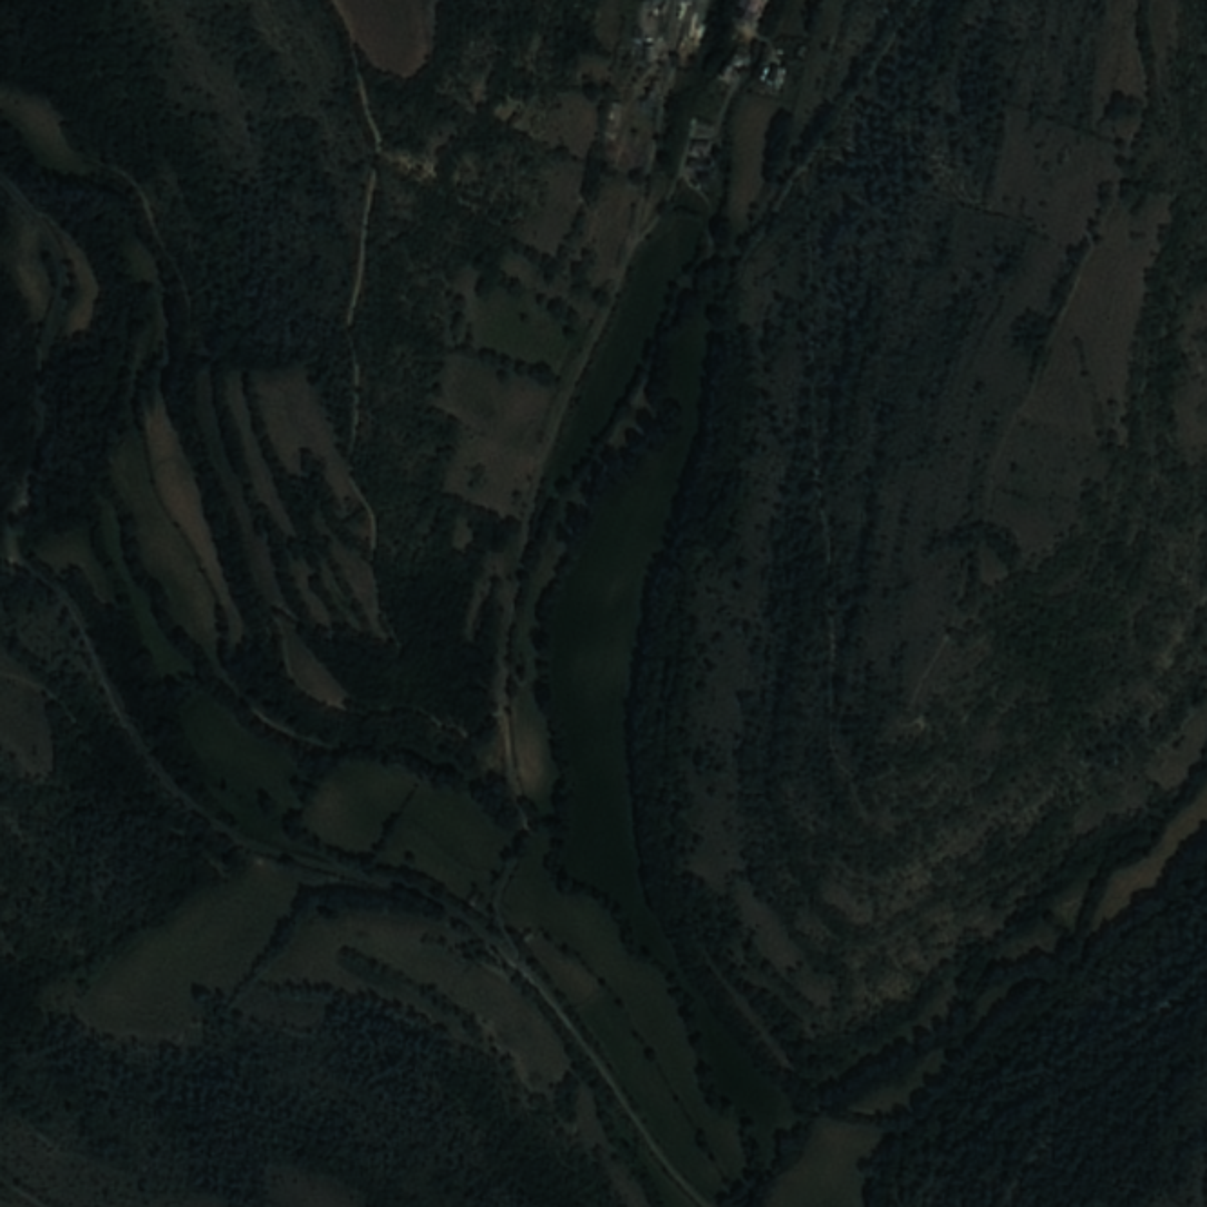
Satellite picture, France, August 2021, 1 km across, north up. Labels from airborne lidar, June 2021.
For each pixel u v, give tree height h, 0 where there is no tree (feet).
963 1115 24
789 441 20
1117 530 20
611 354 0
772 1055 31
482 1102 35
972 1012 48
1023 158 0
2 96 0
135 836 39
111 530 0
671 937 47
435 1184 21
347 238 26
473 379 0
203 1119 29
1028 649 22
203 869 37
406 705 30
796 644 33
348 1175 21
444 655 56
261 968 23
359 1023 37
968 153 30
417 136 25
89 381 72
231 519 35
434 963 0
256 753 0
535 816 51
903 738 18
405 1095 30
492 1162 24
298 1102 23
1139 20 21
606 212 0
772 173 30
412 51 0
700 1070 28
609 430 27
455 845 0
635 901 0
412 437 26
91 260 26
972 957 41
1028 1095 22
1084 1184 22
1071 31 0
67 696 33
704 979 65
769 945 0
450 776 57
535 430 0
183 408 42
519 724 0
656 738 53
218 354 47
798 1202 0
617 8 0
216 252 37
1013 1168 28
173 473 0
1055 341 0
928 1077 0
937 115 37
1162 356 30
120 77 26
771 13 40
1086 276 0
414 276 21
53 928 28
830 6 0
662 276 0
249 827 0
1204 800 0
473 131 20
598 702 0
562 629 0
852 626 33
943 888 22
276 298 29
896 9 34
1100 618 19
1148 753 17
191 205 44
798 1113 47
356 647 41
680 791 39
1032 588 26
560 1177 31
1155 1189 29
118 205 58
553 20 20
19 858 34
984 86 18
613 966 0
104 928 28
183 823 38
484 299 33
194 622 0
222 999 31
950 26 21
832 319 29
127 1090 22
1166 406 23
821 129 40
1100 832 31
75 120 43
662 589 66
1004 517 0
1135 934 32
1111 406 24
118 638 27
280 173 31
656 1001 0
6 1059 33
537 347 0
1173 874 46
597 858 0
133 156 33
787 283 0
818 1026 24
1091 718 25
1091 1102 25
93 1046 29
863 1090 49
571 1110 24
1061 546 17
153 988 0
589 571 0
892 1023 45
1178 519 20
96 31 32
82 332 24
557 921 0
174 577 0
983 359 0
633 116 0
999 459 0
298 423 0
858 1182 0
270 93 23
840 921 27
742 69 37
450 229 18
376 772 0
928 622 0
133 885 34
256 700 46
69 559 0
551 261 34
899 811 23
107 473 43
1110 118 21
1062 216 0
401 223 30
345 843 0
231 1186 26
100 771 39
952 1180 26
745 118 0
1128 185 30
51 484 51
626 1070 0
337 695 0
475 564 58
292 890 0
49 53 52
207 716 0
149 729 41
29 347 38
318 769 52
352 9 0
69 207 47
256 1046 18
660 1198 31
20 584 41
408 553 25
